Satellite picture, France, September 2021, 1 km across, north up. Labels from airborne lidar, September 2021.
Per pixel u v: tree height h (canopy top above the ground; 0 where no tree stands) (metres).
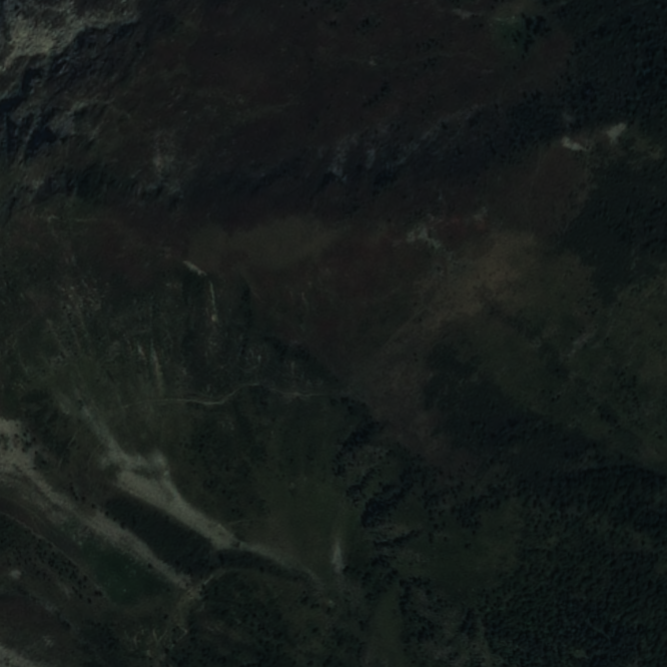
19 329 0
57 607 0
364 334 0
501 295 0
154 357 0
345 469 8
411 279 0
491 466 8
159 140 0
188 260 0
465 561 0
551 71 0
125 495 0
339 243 0
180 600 0
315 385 0
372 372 0
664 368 0
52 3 0
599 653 21
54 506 0
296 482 0
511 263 0
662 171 6
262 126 0
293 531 0
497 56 0
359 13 0
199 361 0
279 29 0
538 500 8
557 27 0
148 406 0
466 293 0
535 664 20
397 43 0
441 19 0
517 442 10
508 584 8
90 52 0
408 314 0
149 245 0
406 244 0
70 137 0
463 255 0
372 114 0
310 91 0
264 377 0
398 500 11
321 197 0
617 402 6
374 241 0
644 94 8
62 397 0
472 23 0
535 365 0
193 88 0
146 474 0
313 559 0
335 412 0
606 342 10
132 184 0
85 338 0
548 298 0
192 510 0
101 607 0
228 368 0
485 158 0
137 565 0
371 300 0
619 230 10
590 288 0
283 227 0
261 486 0
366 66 0
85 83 0
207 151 0
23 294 0
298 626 0
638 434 0
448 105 0
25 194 0
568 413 0
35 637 0
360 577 8
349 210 0
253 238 0
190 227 0
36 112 0
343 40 0
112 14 0
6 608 0
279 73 0
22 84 0
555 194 0
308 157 0
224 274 0
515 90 0
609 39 11
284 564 0
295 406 0
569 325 0
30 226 0
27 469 0
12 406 0
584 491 7
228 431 0
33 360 0
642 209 9
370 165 0
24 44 0
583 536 7
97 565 0
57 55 0
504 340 0
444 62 0
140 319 0
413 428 0
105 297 0
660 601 18
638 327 0
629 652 15
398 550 6
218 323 0
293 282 0
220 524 0
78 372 0
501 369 0
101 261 0
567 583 12
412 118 0
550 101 0
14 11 0
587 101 12
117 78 0
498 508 13
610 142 0
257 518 0
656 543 9
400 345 0
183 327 0
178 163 0
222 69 0
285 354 6
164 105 0
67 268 0
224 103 0
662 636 14
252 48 0
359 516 0
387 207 0
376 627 0
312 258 0
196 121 0
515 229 0
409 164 0
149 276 0
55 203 0
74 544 0
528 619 15
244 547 0
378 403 0
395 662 0
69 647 0
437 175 0
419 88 0
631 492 15
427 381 0
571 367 0
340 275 0
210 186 0
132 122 0
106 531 0
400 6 0
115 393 0
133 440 0
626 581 9
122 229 0
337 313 0
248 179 0
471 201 0
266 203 0
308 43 0
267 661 10
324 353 0
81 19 0
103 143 0
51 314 0
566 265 0
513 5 0
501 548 0
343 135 0
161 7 0
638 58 9
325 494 0
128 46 0
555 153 0
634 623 14
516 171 0
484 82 0
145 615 0
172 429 0
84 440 0
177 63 0
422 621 14
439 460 0
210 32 0
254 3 0
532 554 10
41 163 0
